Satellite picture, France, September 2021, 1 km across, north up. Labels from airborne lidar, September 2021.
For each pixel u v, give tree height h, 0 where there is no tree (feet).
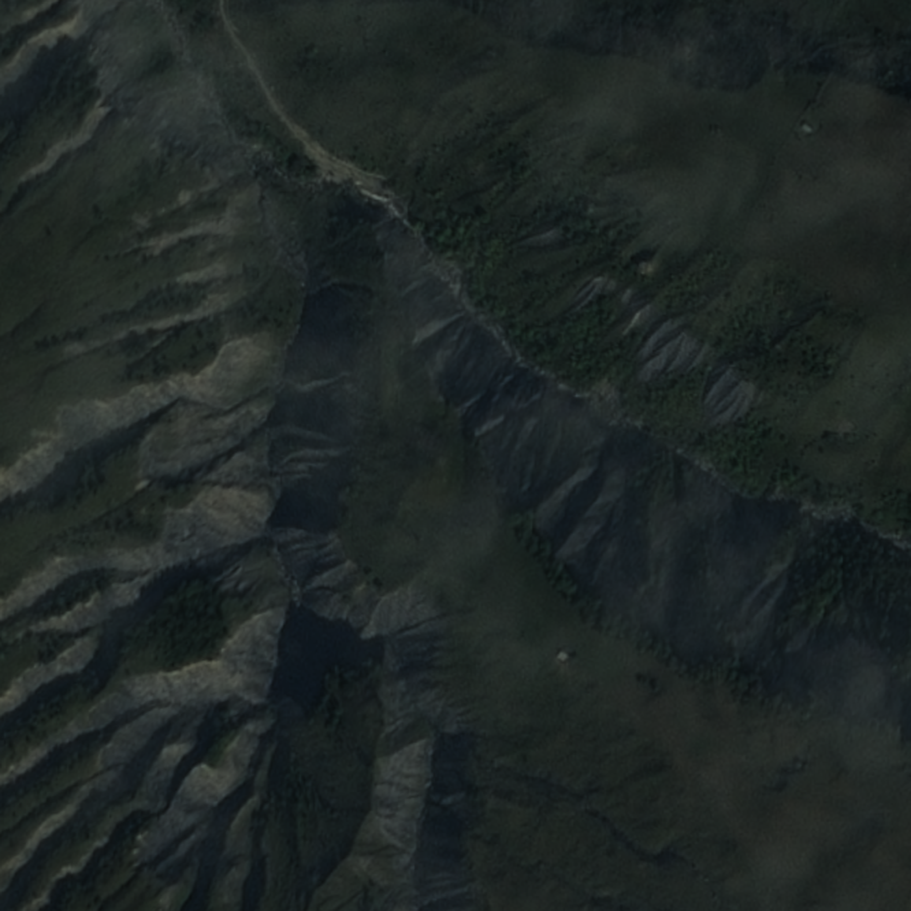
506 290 22
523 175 31
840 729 0
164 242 0
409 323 0
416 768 0
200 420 0
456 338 0
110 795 0
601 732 0
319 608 0
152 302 48
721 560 0
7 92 0
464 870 0
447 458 0
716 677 43
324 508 0
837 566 19
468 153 0
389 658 0
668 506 0
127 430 0
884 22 0
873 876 0
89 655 0
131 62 0
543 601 0
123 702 0
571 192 19
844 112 0
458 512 0
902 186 0
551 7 0
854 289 0
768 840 0
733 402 0
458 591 0
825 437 19
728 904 0
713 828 0
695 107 0
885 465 0
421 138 0
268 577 0
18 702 0
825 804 0
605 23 0
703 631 0
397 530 0
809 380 20
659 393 22
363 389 0
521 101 0
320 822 0
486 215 51
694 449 30
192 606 28
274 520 0
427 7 0
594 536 0
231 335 0
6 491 0
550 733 0
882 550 23
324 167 0
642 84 0
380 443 0
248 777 0
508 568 0
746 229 0
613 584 0
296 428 0
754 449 25
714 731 0
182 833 0
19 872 0
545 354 49
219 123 0
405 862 0
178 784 0
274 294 0
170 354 0
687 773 0
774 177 0
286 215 0
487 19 0
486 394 0
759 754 0
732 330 22
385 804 0
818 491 35
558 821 0
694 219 0
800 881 0
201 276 0
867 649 0
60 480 0
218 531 0
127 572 0
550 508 0
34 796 22
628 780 0
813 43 0
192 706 0
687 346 0
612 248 23
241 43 0
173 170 0
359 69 0
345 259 0
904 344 0
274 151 26
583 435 0
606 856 0
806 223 0
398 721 0
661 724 0
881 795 0
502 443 0
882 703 0
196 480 0
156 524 0
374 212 0
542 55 0
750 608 0
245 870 0
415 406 0
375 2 0
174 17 0
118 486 0
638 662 0
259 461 0
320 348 0
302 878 0
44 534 0
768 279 27
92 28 0
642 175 0
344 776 0
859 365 0
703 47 0
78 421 0
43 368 0
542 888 0
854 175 0
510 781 0
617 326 0
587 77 0
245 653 0
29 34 24
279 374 0
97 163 0
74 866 0
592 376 25
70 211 0
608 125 0
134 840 18
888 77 22
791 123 0
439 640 0
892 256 0
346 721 0
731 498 0
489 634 0
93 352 0
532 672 0
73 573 0
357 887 0
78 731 0
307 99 0
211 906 0
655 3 0
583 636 0
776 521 0
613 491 0
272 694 0
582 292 0
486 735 0
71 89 42
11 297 0
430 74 0
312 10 0
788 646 0
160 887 0
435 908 0
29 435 0
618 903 0
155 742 0
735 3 19
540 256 0
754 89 0
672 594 0
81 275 0
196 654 19
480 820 0
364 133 0
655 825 0
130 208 0
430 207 0
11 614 0
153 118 0
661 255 0
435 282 0
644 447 23
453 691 0
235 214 0
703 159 0
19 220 0
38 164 0
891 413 0
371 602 0
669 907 0
